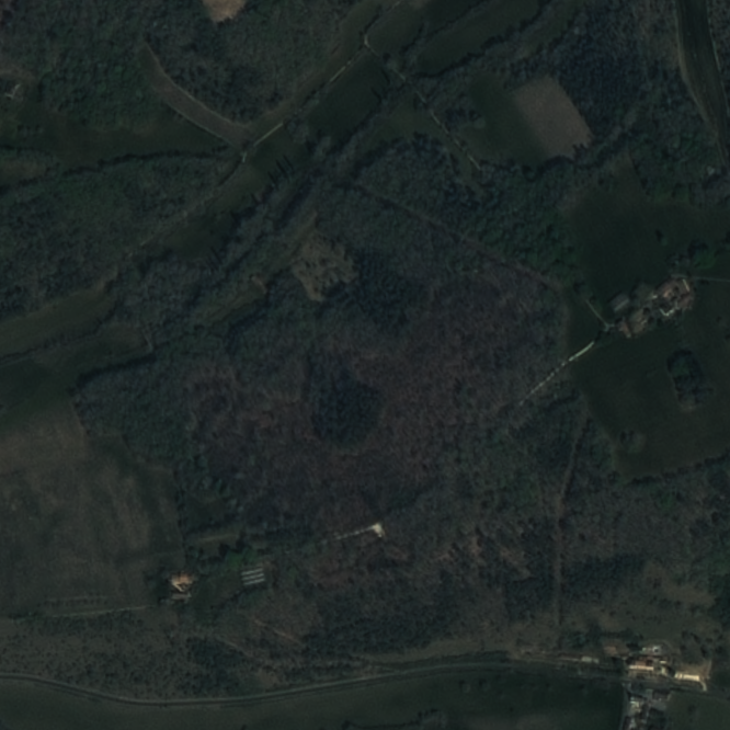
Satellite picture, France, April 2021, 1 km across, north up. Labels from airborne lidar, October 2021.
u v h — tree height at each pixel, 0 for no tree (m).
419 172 25
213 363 18
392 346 23
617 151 7
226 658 10
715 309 0
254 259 20
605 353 0
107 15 14
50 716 0
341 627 23
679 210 0
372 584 15
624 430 0
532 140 0
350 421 30
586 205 0
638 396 0
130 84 24
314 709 0
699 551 21
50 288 14
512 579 24
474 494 17
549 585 20
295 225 22
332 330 20
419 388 6
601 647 13
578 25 7
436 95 20
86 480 0
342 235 13
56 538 0
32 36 21
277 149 0
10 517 0
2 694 0
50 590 0
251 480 8
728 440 0
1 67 19
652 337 0
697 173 28
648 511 19
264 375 22
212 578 11
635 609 0
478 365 6
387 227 24
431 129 0
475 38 0
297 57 20
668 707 0
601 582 21
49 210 25
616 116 22
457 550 18
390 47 0
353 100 0
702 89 0
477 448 18
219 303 17
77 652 0
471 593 23
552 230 20
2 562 0
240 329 14
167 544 0
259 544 13
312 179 11
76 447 0
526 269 21
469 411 13
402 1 8
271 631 17
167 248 0
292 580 17
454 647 0
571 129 0
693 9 0
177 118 11
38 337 0
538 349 20
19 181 0
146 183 21
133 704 0
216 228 0
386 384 7
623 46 7
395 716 0
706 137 29
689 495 22
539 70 11
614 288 0
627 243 0
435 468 10
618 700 0
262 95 7
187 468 18
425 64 0
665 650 0
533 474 17
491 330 11
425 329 7
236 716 0
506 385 15
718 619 6
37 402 0
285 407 7
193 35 23
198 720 0
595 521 18
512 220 20
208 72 14
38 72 23
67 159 0
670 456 0
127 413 23
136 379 20
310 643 19
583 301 15
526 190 23
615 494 21
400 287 26
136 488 0
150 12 18
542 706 0
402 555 15
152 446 22
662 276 0
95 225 22
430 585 16
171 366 18
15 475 0
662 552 15
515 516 15
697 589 12
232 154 11
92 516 0
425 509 17
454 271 20
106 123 21
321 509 8
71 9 14
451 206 24
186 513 11
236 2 0
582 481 14
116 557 0
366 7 0
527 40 14
